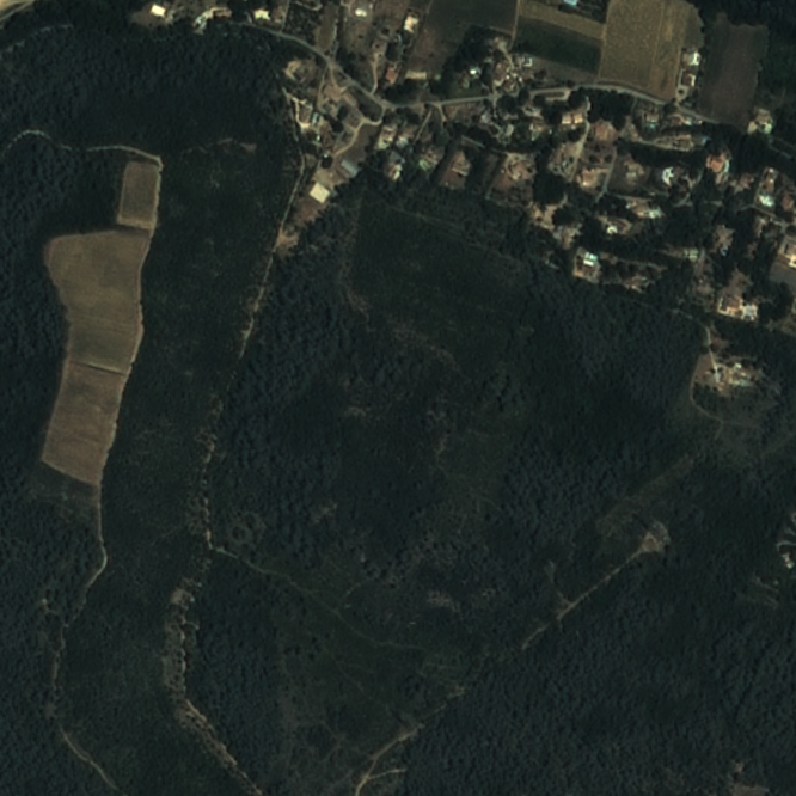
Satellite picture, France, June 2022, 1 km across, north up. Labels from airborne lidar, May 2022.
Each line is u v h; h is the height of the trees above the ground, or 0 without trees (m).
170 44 15
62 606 14
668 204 13
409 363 21
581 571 13
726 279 11
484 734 19
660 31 0
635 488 9
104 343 0
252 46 9
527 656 9
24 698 15
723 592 9
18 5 0
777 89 8
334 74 0
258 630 14
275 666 16
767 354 11
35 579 9
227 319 8
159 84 11
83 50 16
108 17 12
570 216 14
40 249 8
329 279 17
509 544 6
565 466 19
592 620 15
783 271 0
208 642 26
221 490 8
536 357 11
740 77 0
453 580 6
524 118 5
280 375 18
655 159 21
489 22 0
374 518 7
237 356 12
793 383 10
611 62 0
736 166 7
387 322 8
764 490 17
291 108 9
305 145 8
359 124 0
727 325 16
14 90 15
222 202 9
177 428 7
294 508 19
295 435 8
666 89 0
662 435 14
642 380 21
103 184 10
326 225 22
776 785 8
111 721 8
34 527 14
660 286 11
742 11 22
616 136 0
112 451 10
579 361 15
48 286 16
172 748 8
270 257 6
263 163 6
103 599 8
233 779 9
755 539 9
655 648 10
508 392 15
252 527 14
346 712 7
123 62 17
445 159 10
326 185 0
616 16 0
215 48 19
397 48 11
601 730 13
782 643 7
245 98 8
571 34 0
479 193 11
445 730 15
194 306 8
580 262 6
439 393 7
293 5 6
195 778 7
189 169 8
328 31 0
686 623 12
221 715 17
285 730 13
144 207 0
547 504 24
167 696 6
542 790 21
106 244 0
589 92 11
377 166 7
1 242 17
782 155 11
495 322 6
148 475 7
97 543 14
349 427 5
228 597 9
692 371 20
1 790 16
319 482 9
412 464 8
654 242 21
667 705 9
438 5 0
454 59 11
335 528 17
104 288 0
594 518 7
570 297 20
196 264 6
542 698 12
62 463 0
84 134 11
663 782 8
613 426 14
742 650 19
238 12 11
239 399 18
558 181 13
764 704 6
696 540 10
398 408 7
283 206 12
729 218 14
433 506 14
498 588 17
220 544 8
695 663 16
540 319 8
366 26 0
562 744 16
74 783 19
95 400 0
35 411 7
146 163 0
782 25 21
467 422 7
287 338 17
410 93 6
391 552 8
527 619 7
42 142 16
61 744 16
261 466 21
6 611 17
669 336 19
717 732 16
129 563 11
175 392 6
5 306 18
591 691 16
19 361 7
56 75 18
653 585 13
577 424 13
